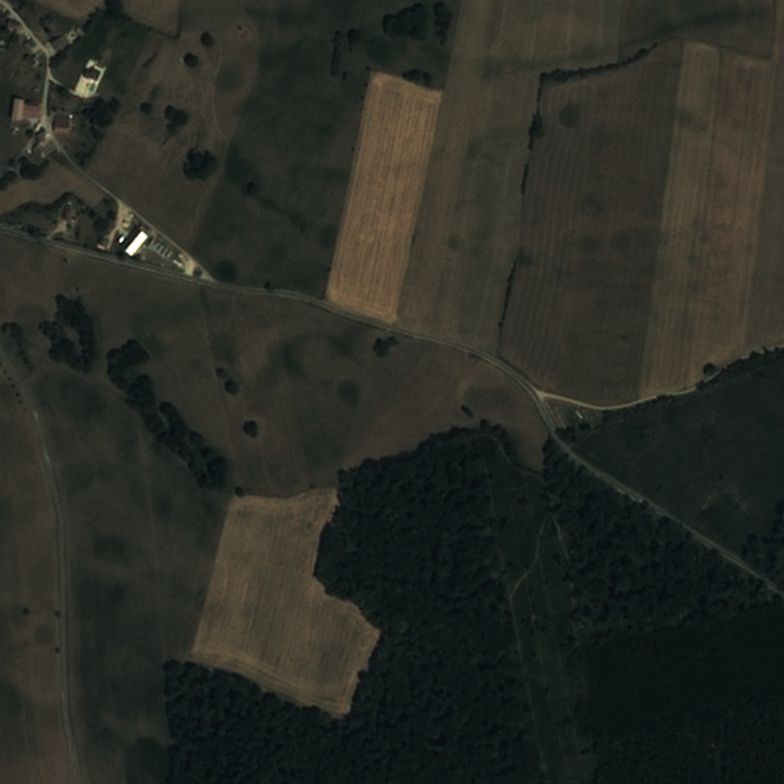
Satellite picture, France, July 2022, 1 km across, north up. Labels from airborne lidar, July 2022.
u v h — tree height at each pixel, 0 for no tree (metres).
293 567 0
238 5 0
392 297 0
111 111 15
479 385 0
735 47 0
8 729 0
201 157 10
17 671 0
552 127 0
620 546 23
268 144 0
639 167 0
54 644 0
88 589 0
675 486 0
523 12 0
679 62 0
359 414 0
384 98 0
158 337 0
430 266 0
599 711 7
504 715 23
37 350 0
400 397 0
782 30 0
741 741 17
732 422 0
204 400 0
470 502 20
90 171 0
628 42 0
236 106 0
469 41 0
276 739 21
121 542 0
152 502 0
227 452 0
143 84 0
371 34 0
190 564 0
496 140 0
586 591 24
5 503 0
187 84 0
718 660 7
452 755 23
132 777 0
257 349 0
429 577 12
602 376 0
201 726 23
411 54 0
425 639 22
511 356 0
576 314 0
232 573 0
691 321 0
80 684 0
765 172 0
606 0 0
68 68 0
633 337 0
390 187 0
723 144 0
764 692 7
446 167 0
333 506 0
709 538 0
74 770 0
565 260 0
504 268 0
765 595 22
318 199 0
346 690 0
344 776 16
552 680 0
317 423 0
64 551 0
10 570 0
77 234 5
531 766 23
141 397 18
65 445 0
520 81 0
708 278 0
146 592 0
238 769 22
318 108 0
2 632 0
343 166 0
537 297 0
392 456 0
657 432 0
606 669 6
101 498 0
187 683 17
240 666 0
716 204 0
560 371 0
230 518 0
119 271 0
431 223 0
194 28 0
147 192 0
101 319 0
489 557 23
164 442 15
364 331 0
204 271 0
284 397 0
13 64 0
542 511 0
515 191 0
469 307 0
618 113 0
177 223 0
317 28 0
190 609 0
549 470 13
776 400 0
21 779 0
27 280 0
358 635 0
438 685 22
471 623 21
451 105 0
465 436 21
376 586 19
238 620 0
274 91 0
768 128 0
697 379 0
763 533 0
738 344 0
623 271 0
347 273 0
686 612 26
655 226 0
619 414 8
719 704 7
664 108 0
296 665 0
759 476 0
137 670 0
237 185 0
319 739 20
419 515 24
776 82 0
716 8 0
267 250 0
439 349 0
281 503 0
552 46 0
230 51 0
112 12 17
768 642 7
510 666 25
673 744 17
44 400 0
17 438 0
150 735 0
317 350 0
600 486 22
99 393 0
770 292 0
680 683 6
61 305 17
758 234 0
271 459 0
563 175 0
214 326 0
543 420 0
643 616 23
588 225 0
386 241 0
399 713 24
